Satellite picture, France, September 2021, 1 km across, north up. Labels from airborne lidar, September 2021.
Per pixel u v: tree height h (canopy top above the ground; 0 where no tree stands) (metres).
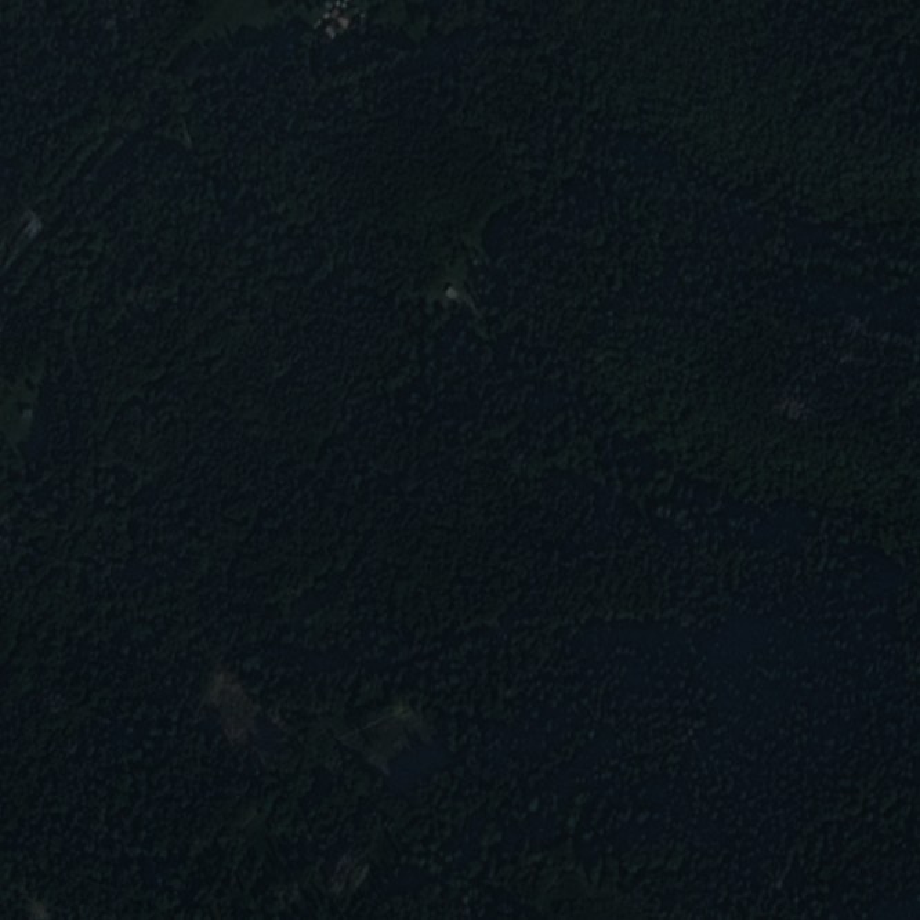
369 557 25
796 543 31
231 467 31
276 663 24
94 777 25
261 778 23
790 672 18
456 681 23
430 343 11
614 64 24
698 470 26
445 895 30
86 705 22
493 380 24
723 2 23
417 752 0
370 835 33
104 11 18
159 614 28
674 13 23
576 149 30
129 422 27
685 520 16
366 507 33
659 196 25
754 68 20
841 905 13
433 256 28
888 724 23
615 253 22
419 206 25
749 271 21
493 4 28
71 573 21
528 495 33
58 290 24
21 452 0
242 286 25
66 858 26
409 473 27
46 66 30
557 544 17
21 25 24
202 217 21
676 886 18
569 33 25
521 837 18
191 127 15
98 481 20
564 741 27
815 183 21
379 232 26
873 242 26
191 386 29
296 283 25
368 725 0
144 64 27
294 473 31
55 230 18
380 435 29
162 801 22
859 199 26
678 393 23
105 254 23
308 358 29
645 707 38
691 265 22
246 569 27
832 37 22
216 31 0
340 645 24
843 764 35
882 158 19
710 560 22
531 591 29
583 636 18
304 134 21
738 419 23
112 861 28
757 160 20
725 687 38
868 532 25
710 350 17
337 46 6
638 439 22
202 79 25
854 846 22
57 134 20
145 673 23
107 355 29
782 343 24
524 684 17
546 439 22
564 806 6
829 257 30
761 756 31
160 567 8
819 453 22
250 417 30
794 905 15
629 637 0
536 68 31
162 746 29
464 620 27
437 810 21
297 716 21
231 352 27
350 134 29
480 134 25
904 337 19
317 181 23
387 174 27
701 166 29
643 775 25
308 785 23
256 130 28
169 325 29
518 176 26
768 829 26
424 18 19
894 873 18
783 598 19
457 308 11
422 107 28
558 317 26
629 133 27
